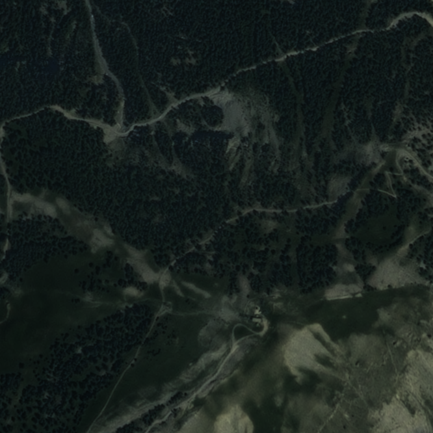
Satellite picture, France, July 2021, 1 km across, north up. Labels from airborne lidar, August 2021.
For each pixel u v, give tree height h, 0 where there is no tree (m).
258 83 8
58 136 17
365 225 16
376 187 20
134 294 0
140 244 16
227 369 0
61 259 0
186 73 18
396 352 0
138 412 0
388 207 20
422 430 0
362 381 0
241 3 13
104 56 6
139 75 8
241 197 15
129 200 25
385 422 0
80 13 20
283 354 0
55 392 12
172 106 0
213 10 21
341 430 0
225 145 9
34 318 0
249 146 6
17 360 0
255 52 8
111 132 0
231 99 0
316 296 0
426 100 17
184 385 0
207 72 18
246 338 0
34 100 19
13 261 16
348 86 22
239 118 0
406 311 0
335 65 13
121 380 0
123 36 6
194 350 0
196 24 21
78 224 0
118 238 0
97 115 19
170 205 21
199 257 21
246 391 0
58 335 0
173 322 0
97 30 9
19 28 7
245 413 0
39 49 25
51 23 20
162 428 0
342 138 9
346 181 0
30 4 26
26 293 0
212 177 14
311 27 22
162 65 18
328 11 18
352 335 0
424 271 16
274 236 16
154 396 0
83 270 0
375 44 18
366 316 0
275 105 7
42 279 0
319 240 0
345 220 0
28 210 0
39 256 16
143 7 21
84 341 12
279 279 14
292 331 0
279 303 0
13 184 18
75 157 20
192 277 0
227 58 25
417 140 18
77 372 22
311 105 23
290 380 0
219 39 25
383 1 11
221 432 0
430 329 0
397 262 0
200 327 0
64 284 0
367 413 0
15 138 22
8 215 0
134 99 13
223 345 0
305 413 0
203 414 0
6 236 18
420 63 14
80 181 21
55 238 14
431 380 0
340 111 6
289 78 24
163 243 18
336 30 11
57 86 21
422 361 0
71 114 0
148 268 0
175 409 8
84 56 10
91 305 0
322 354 0
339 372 0
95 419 0
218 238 19
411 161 14
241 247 0
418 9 16
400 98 8
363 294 0
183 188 17
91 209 11
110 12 10
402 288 0
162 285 0
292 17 22
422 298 0
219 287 0
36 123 21
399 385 0
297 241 0
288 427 0
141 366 0
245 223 14
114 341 15
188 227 20
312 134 13
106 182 19
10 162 15
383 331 0
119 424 0
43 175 19
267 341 0
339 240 0
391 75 14
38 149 0
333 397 0
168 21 21
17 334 0
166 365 0
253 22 14
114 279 0
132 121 10
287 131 12
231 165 0
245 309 0
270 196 19
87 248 11
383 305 0
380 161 0
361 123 12
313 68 23
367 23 11
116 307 0
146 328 16
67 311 0
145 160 9
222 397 0
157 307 0
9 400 7
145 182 24
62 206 0
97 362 20
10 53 11
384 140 11
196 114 8
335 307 0
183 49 11
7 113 19
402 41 19
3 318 0
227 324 0
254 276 20
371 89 21
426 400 0
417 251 14
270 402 0
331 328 0
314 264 14
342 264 0
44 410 22
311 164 0
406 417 0
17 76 17
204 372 0
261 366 0
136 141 11
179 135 10
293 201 18
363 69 21
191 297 0
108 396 0
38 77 16
